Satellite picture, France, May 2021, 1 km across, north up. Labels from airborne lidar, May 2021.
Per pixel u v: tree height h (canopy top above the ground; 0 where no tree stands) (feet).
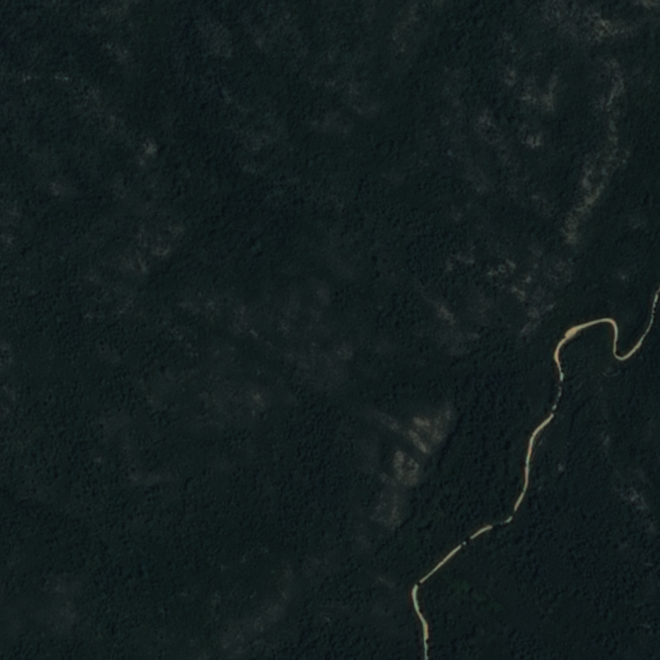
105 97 30
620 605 21
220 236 28
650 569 27
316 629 57
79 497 44
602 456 31
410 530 44
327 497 46
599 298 23
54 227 21
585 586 52
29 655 49
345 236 29
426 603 18
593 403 41
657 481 36
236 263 28
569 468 32
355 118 22
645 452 44
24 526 25
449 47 46
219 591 24
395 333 60
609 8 23
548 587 50
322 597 20
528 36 20
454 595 22
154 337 18
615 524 42
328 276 20
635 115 50
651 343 25
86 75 19
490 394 75
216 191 27
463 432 81
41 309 48
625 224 22
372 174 31
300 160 27
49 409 26
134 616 25
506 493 54
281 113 29
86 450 45
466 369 19
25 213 31
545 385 22
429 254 47
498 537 39
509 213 23
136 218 19
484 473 51
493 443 88
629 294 24
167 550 25
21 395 19
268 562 25
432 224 29
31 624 17
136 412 18
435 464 44
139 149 26
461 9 22
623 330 19
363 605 35
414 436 0
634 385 19
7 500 25
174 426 32
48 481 20
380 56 21
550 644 31
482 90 35
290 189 33
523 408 52
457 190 39
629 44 19
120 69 23
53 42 22
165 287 25
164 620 30
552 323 20
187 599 25
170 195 24
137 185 25
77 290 33
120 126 23
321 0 24
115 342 33
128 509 43
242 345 20
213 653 19
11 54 26
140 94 38
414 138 23
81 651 22
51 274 21
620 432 30
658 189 29
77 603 31
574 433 35
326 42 17
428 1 20
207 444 27
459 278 38
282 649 19
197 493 19
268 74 21
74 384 23
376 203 35
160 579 25
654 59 32
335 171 21
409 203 18
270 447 20
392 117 22
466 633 25
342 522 34
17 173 27
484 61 22
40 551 19
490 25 21
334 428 44
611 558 48
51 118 19
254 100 21
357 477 41
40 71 32
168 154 52
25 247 19
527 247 23
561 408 36
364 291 23
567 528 57
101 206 22
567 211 30
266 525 25
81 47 28
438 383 42
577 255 23
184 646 18
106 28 18
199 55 25
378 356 20
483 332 33
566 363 37
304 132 20
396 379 21
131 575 32
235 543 24
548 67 22
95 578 46
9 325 25
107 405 29
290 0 25
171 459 20
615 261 20
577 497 46
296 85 26
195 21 42
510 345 28
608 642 48
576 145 18
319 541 20
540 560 44
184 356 19
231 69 23
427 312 20
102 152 25
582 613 18
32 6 28
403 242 18
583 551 55
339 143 19
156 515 26
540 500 66
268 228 30
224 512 25
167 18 33
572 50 20
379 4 19
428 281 41
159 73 29
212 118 26
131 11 21
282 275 19
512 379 64
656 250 31
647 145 51
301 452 42
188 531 23
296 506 22
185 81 35
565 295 24
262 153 21
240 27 33
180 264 19
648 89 33
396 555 20
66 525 42
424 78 29
